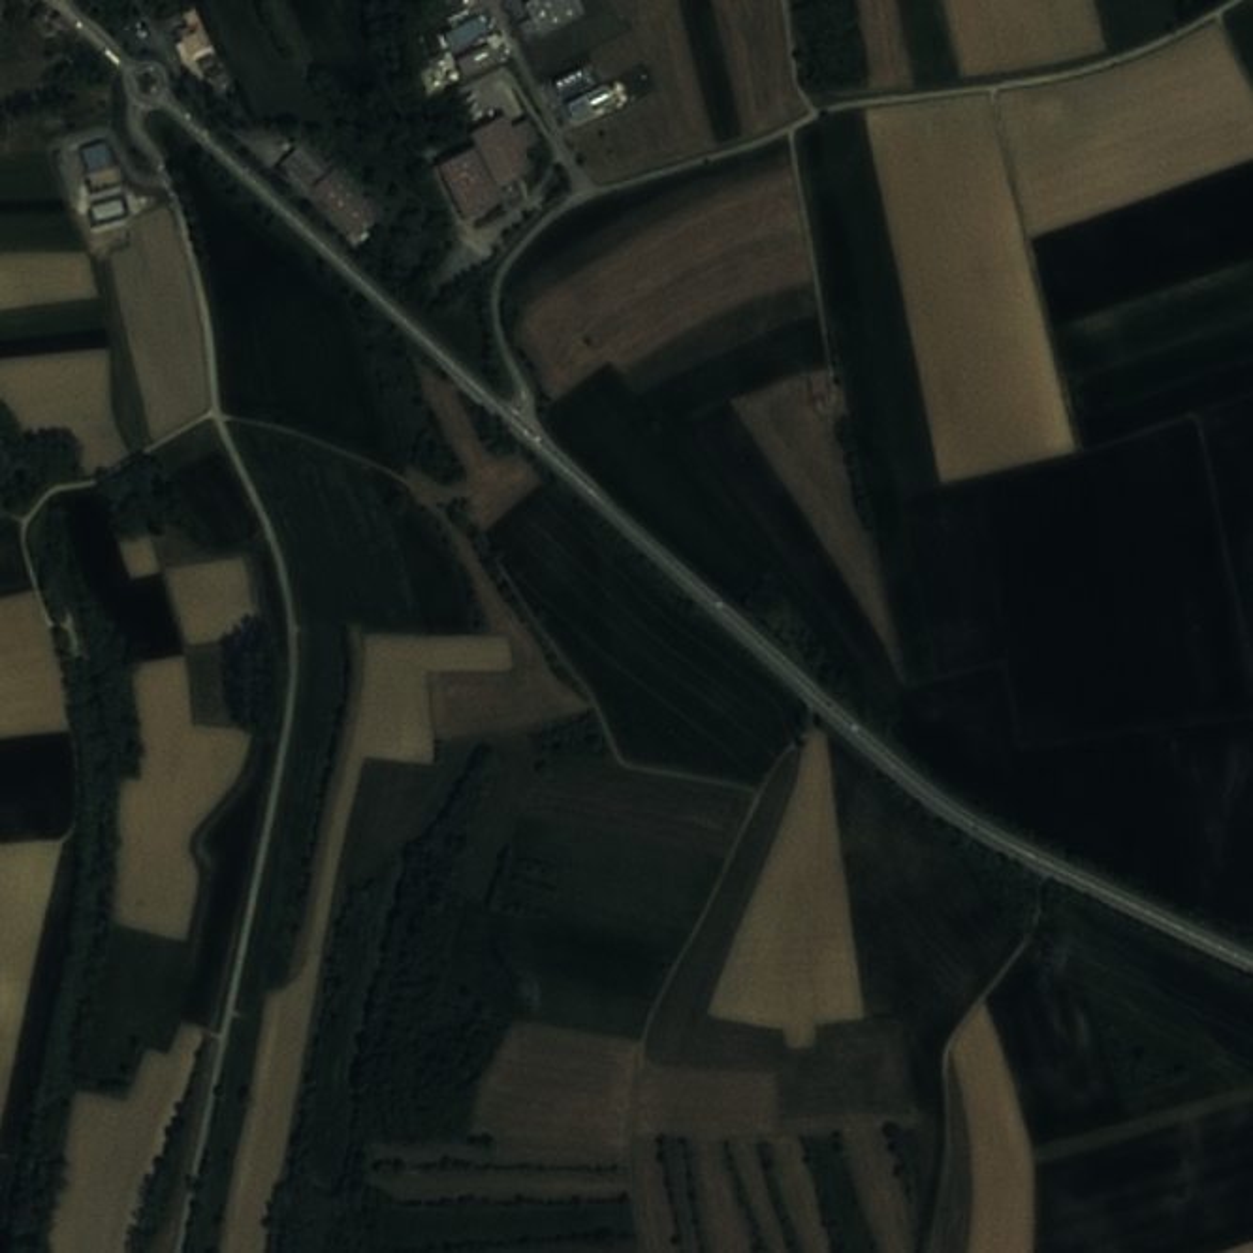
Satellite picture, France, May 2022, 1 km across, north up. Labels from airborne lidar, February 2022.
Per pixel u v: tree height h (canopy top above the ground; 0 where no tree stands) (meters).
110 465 0
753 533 0
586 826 0
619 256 0
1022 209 0
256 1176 0
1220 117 0
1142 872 0
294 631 0
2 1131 0
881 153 0
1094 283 0
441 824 5
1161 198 0
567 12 0
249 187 0
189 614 0
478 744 0
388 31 16
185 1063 0
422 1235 0
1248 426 0
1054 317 0
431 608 0
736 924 0
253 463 0
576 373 0
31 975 0
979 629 0
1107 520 0
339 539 0
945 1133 0
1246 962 0
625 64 0
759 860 0
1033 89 0
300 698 0
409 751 0
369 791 0
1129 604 0
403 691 0
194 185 0
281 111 0
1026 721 0
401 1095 6
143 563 0
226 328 0
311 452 0
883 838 0
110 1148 0
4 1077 0
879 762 0
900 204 0
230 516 0
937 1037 0
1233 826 0
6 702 0
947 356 0
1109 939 0
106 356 0
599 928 0
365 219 0
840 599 0
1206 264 0
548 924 0
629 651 0
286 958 0
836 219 0
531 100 0
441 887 10
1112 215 0
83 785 11
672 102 0
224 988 0
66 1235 0
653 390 0
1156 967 0
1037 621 0
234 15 0
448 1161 7
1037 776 0
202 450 0
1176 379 0
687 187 0
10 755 0
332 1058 0
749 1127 0
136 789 0
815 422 0
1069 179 0
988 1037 0
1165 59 0
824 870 0
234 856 0
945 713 0
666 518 0
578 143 0
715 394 0
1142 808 0
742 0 0
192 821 0
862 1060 0
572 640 0
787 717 0
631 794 0
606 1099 0
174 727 0
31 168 0
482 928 0
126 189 0
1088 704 0
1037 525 0
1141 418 0
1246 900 0
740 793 0
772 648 0
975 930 0
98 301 0
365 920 0
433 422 7
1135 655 0
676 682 0
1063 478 0
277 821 0
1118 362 0
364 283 0
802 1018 0
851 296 0
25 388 0
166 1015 0
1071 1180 0
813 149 0
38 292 0
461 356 0
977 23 0
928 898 0
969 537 0
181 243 0
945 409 0
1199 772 0
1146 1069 7
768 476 0
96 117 0
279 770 0
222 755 0
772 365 0
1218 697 0
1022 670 0
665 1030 0
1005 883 9
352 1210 13
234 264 0
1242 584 0
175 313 0
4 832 0
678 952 0
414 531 0
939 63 0
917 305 0
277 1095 0
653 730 0
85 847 14
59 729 0
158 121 0
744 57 0
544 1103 0
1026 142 0
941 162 0
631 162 0
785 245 0
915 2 0
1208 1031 0
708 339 0
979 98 0
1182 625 0
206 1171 7
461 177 0
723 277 0
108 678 10
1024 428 0
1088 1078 0
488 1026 6
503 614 0
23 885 0
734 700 0
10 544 0
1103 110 0
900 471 0
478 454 0
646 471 0
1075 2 0
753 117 0
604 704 0
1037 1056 0
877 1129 0
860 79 10
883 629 0
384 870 0
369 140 16
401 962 7
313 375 0
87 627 13
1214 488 0
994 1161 0
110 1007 0
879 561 0
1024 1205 0
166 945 0
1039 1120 0
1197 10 0
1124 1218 0
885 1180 0
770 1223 0
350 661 7
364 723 0
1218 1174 0
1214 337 0
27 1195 16
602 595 0
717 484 0
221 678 0
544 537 0
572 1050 0
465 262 0
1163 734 0
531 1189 0
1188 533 0
